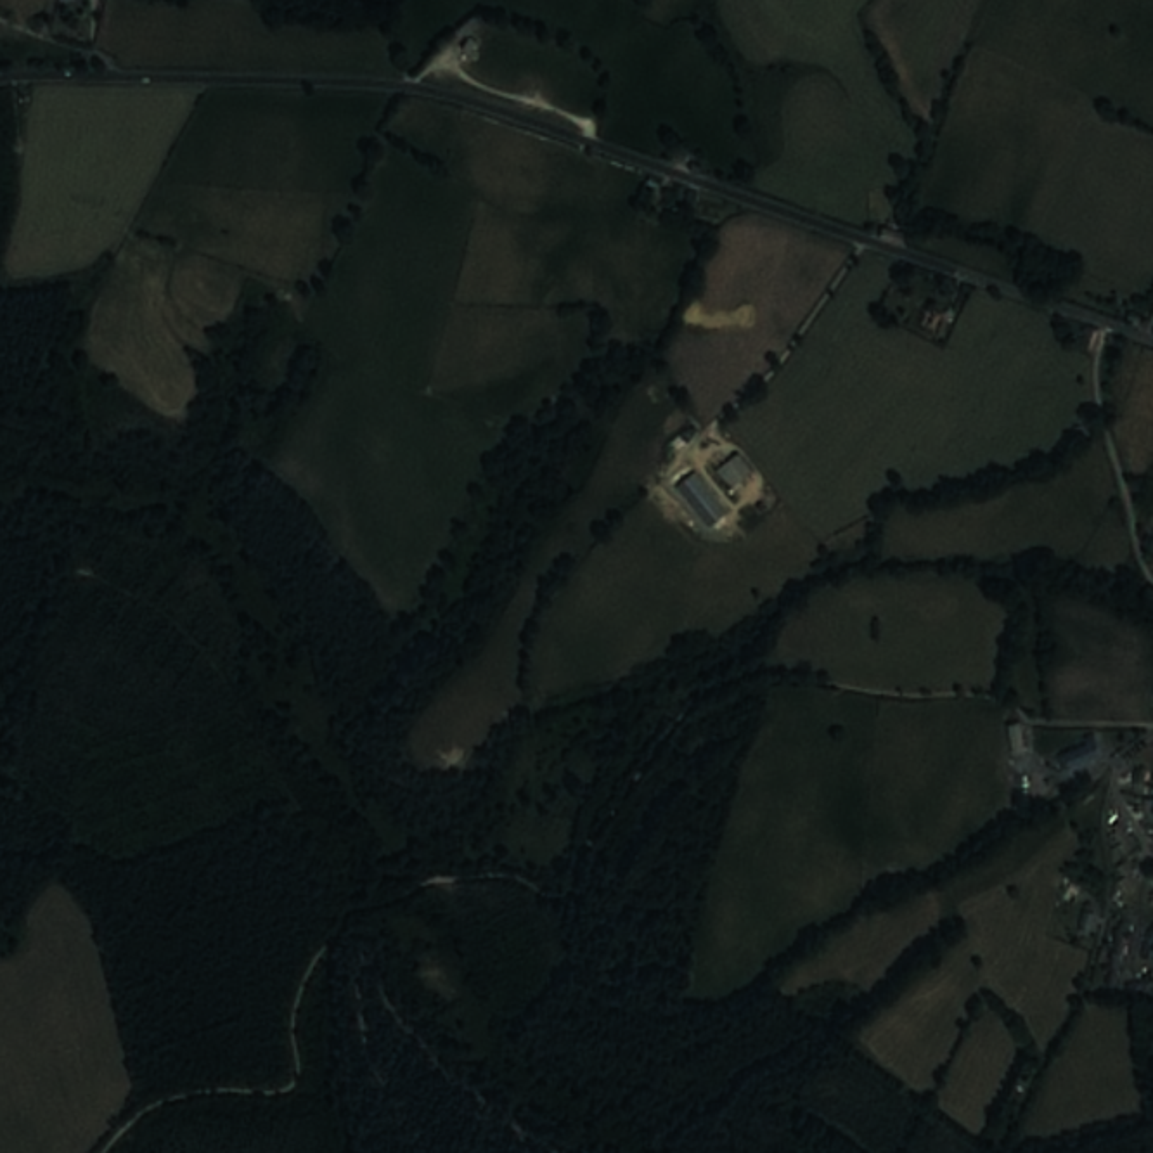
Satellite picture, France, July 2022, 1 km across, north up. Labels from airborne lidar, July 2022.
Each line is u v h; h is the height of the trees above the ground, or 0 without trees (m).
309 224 0
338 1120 6
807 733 0
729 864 0
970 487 15
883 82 12
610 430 0
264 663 11
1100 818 0
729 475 0
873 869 0
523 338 0
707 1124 21
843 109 0
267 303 10
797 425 0
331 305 0
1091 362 0
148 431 11
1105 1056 0
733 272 0
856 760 0
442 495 0
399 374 0
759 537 0
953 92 6
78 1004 0
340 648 21
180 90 0
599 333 16
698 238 9
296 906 10
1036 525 0
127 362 0
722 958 0
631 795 8
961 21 0
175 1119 6
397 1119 18
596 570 0
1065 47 0
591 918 27
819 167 0
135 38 0
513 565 7
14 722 20
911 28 0
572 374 0
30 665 16
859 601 0
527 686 16
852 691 0
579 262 0
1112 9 0
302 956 12
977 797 0
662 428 0
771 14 0
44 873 15
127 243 0
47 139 0
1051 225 0
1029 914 0
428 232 0
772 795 0
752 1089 21
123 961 14
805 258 0
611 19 0
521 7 0
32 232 0
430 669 24
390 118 11
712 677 12
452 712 0
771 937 0
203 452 21
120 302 0
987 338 0
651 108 0
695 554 0
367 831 13
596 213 0
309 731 0
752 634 12
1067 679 0
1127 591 21
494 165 0
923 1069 0
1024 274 10
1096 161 0
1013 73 0
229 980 8
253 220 0
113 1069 0
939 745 0
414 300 0
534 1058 24
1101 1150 23
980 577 8
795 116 0
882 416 0
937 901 0
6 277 0
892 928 0
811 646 0
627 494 0
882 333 0
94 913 13
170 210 0
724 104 0
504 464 18
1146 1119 17
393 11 19
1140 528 8
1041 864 0
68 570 7
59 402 20
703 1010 23
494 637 0
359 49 0
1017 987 0
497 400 0
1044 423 0
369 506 0
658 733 9
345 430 0
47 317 18
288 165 0
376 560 0
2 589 9
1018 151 0
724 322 0
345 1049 24
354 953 21
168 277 0
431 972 0
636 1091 21
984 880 0
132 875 11
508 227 0
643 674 6
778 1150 18
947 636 0
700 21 12
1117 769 0
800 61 0
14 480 11
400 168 0
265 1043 10
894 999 12
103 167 0
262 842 10
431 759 0
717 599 0
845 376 0
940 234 13
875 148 0
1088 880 7
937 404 0
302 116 0
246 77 0
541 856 0
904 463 0
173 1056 10
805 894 0
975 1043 0
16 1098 0
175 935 9
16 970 0
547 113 0
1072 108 0
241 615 10
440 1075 22
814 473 0
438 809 19
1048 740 0
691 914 9
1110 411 8
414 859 15
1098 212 0
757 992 19
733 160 0
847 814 0
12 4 0
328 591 24
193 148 0
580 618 0
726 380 0
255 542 26
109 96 0
